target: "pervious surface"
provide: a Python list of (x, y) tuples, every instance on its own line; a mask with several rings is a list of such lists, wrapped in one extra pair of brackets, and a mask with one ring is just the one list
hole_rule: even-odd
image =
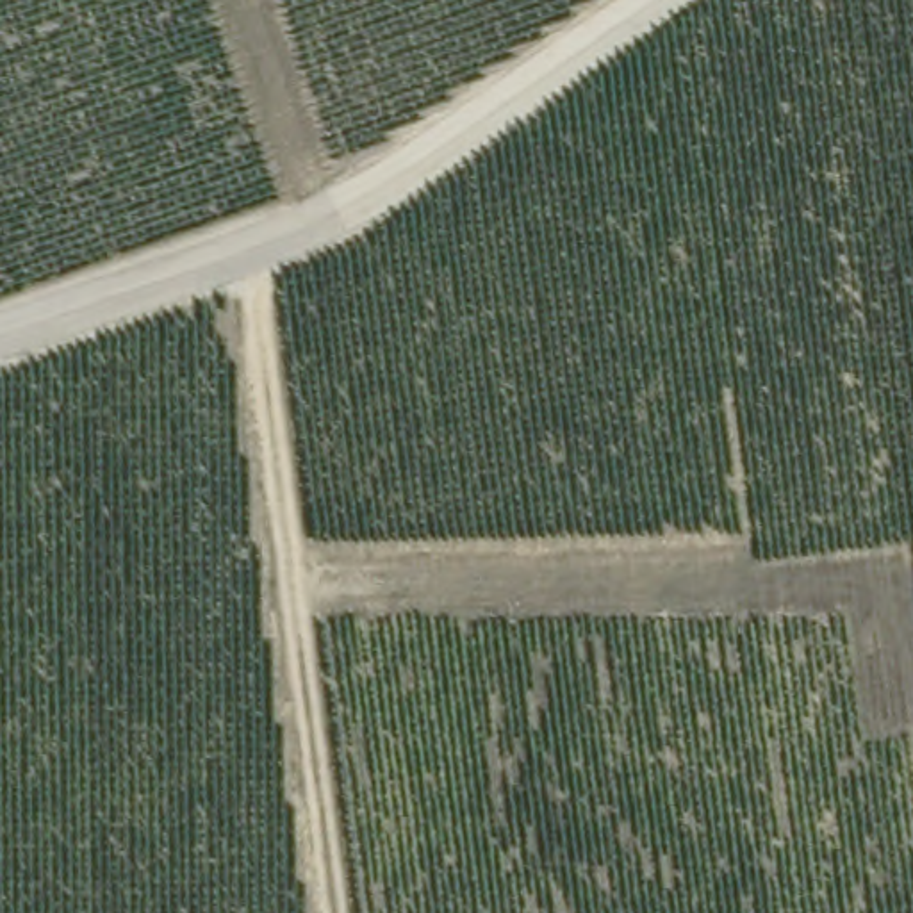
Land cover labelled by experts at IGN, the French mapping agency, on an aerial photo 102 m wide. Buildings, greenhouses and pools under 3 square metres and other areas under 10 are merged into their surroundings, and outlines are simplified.
[(250, 460), (250, 474), (264, 485), (264, 503), (275, 535), (278, 603), (285, 617), (285, 649), (271, 660), (275, 717), (282, 724), (285, 799), (296, 813), (296, 874), (307, 884), (307, 913), (350, 913), (325, 735), (325, 703), (317, 681), (314, 621), (303, 571), (307, 539), (296, 499), (292, 439), (278, 360), (275, 275), (285, 264), (307, 260), (328, 246), (350, 243), (353, 235), (367, 232), (392, 207), (417, 196), (446, 171), (460, 168), (510, 125), (531, 118), (567, 86), (574, 86), (585, 71), (599, 68), (646, 32), (653, 32), (660, 21), (667, 21), (692, 0), (592, 0), (581, 4), (571, 21), (549, 25), (539, 43), (517, 46), (514, 61), (489, 68), (485, 78), (457, 89), (446, 103), (424, 111), (421, 121), (396, 128), (389, 143), (357, 153), (357, 171), (328, 185), (321, 196), (310, 196), (303, 203), (275, 203), (0, 300), (0, 371), (53, 353), (61, 346), (93, 339), (100, 332), (132, 325), (139, 317), (153, 317), (160, 310), (193, 307), (193, 300), (214, 292), (228, 296), (243, 303), (243, 353), (235, 360), (239, 449)]

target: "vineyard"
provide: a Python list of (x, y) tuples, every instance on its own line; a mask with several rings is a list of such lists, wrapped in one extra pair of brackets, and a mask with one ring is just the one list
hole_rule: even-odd
[(207, 0), (0, 0), (0, 300), (275, 203), (275, 182), (257, 143), (257, 128), (246, 118), (246, 103), (235, 89), (228, 53), (221, 46), (218, 29), (210, 25)]
[(646, 32), (599, 68), (585, 71), (574, 86), (567, 86), (531, 118), (510, 125), (460, 168), (446, 171), (417, 196), (392, 207), (367, 232), (353, 235), (350, 243), (328, 246), (307, 260), (285, 264), (275, 275), (278, 360), (292, 439), (296, 499), (307, 539), (542, 539), (713, 528), (745, 539), (753, 556), (760, 560), (863, 549), (884, 542), (909, 542), (913, 553), (913, 0), (692, 0), (667, 21), (660, 21), (653, 32)]
[(421, 121), (424, 111), (446, 103), (457, 89), (485, 78), (489, 68), (514, 61), (517, 46), (539, 43), (549, 25), (571, 21), (581, 4), (592, 0), (282, 0), (296, 39), (300, 68), (310, 82), (310, 93), (317, 96), (325, 146), (332, 157), (357, 153), (389, 143), (396, 128)]
[(592, 613), (453, 621), (449, 613), (424, 610), (357, 610), (314, 621), (317, 681), (325, 703), (325, 735), (350, 913), (913, 913), (913, 763), (909, 735), (870, 738), (860, 728), (852, 674), (842, 674), (842, 656), (849, 656), (849, 631), (842, 613), (827, 624), (813, 624), (806, 617), (770, 624), (767, 617), (731, 621)]
[(132, 325), (100, 332), (93, 339), (61, 346), (53, 353), (0, 371), (0, 913), (307, 913), (307, 884), (296, 874), (296, 813), (285, 799), (282, 724), (275, 717), (271, 660), (271, 642), (260, 624), (260, 549), (250, 531), (250, 474), (250, 460), (239, 449), (235, 360), (225, 346), (225, 335), (214, 325), (218, 314), (225, 314), (228, 296), (214, 292), (193, 300), (193, 307), (160, 310), (153, 317), (139, 317)]

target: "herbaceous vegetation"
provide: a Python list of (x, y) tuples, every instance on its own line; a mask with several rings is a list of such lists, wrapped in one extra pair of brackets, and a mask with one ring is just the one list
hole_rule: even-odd
[(235, 89), (246, 103), (246, 118), (257, 128), (257, 143), (275, 182), (275, 203), (303, 203), (310, 196), (321, 196), (328, 185), (357, 171), (357, 153), (332, 157), (325, 146), (317, 96), (310, 93), (310, 82), (300, 68), (296, 39), (282, 0), (207, 0), (210, 25), (218, 29), (221, 46), (228, 53)]
[(285, 617), (278, 603), (275, 535), (264, 503), (264, 485), (250, 474), (250, 531), (260, 549), (260, 624), (271, 642), (271, 660), (285, 649)]
[(307, 539), (303, 571), (314, 621), (357, 610), (424, 610), (449, 613), (453, 621), (592, 613), (731, 621), (767, 617), (770, 624), (806, 617), (813, 624), (827, 624), (842, 613), (849, 631), (849, 656), (842, 656), (842, 674), (852, 674), (860, 728), (870, 738), (909, 735), (913, 763), (913, 553), (909, 542), (884, 542), (863, 549), (760, 560), (753, 556), (745, 539), (713, 528), (542, 539)]
[(225, 346), (235, 360), (243, 353), (243, 303), (228, 296), (225, 314), (218, 314), (214, 325), (225, 335)]

